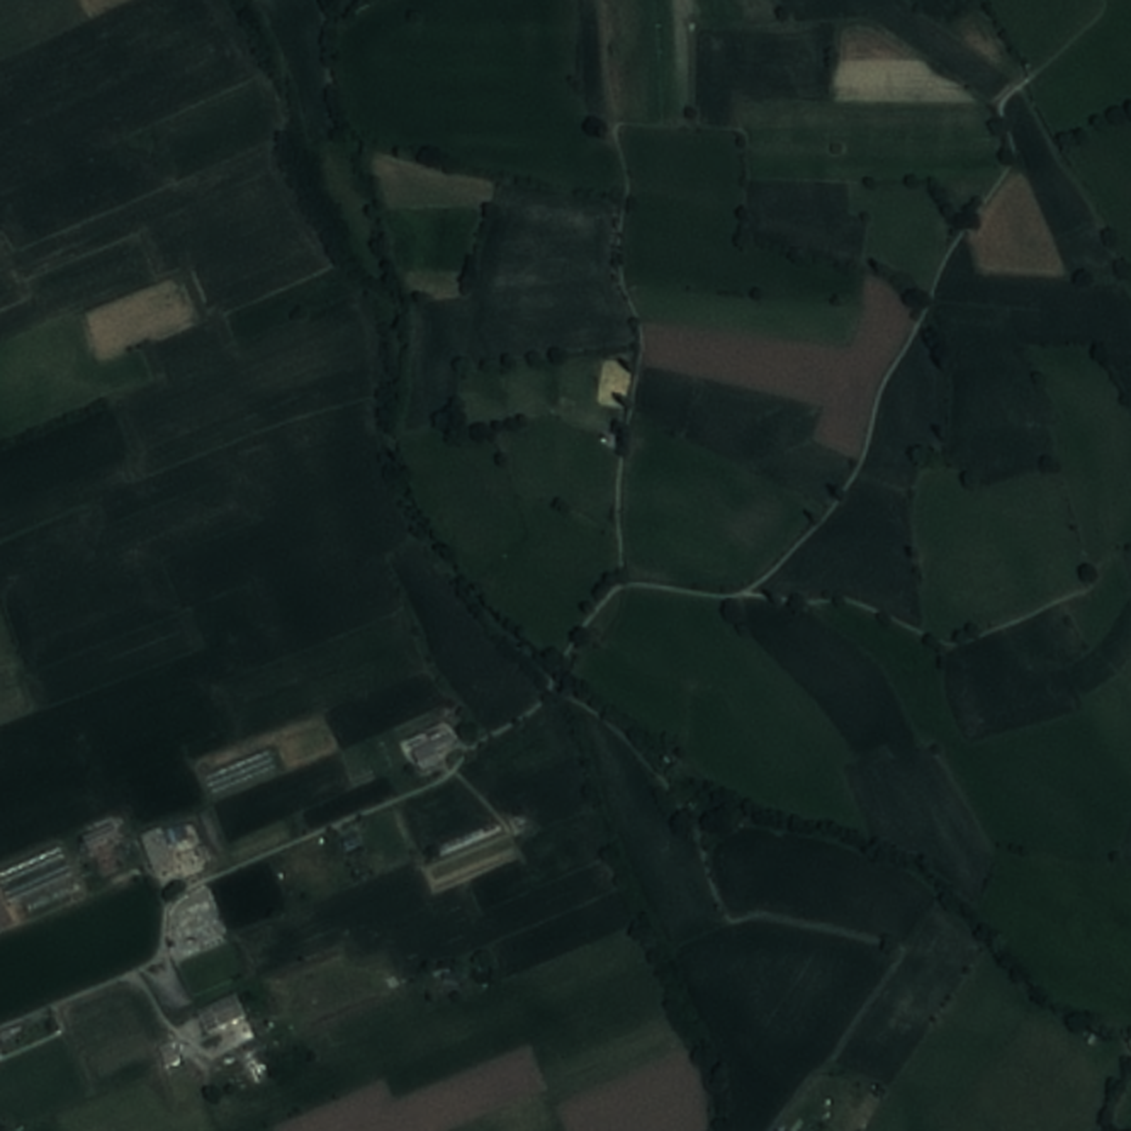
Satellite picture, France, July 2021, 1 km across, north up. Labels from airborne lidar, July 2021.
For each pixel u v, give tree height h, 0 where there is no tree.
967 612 0
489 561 0
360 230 0
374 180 10
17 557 0
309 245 0
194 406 0
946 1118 0
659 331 0
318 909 0
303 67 0
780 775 0
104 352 0
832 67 13
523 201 0
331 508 0
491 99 0
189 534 0
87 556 0
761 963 0
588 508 0
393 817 0
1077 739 0
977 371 0
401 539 0
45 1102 0
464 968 8
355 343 0
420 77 0
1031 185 0
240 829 0
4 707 0
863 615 0
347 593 0
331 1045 0
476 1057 0
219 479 0
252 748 0
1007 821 0
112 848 0
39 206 0
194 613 0
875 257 0
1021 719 0
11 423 0
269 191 0
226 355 0
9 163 0
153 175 0
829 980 0
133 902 0
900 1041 0
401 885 0
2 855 0
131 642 0
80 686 0
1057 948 0
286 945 0
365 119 0
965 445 0
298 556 0
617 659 0
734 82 0
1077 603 0
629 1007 0
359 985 0
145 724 0
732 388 0
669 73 0
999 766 0
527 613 0
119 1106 0
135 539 0
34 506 0
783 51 0
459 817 0
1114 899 0
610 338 0
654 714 0
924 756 0
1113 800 0
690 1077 0
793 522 0
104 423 0
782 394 0
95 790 0
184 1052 0
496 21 0
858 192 0
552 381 0
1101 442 0
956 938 0
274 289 0
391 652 0
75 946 0
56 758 0
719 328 0
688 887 0
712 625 0
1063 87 0
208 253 0
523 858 0
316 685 0
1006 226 0
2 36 0
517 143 0
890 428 0
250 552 0
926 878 9
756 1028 0
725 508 0
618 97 0
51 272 0
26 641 0
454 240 0
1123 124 14
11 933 0
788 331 0
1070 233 0
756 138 0
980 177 0
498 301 0
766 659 0
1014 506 0
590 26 0
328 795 0
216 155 0
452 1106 0
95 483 0
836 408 0
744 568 0
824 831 16
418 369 0
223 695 0
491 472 0
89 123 0
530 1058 0
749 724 0
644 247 0
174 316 0
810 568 0
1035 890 0
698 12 0
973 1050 0
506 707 0
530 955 0
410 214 0
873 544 0
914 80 0
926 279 0
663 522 0
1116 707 0
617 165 0
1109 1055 0
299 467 0
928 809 0
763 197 0
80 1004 0
